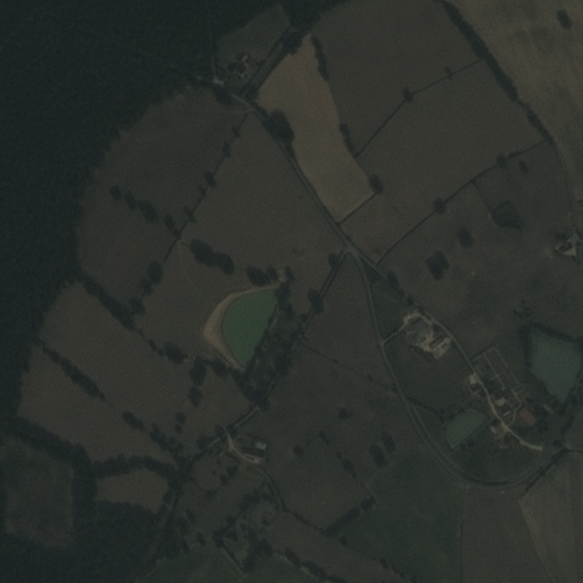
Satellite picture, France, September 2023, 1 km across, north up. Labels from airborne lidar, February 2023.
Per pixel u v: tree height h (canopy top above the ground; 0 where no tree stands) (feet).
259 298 0
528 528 0
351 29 0
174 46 100
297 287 0
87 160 96
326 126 0
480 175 0
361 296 0
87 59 110
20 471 0
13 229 110
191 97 0
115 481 0
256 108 35
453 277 0
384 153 0
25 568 77
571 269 0
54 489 0
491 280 0
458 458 0
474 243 0
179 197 0
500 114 0
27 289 107
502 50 0
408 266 0
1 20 103
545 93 0
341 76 0
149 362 0
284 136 74
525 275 0
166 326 0
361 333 0
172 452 37
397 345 0
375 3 0
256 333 0
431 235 0
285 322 0
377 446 0
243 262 0
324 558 0
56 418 0
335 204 0
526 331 48
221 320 0
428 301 0
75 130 113
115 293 0
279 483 0
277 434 0
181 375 0
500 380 0
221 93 64
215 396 0
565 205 0
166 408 0
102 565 74
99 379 0
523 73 0
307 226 0
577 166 0
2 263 118
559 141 0
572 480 0
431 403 0
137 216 0
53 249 101
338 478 0
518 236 0
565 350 0
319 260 0
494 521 0
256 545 28
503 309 0
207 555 0
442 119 0
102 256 0
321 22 0
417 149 0
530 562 0
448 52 0
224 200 0
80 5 101
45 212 111
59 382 0
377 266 0
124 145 0
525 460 0
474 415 0
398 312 0
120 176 0
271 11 0
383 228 0
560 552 0
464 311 0
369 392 0
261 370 0
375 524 0
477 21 0
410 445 0
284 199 0
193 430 0
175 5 92
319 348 0
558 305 0
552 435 0
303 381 0
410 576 0
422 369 0
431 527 0
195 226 0
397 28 0
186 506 0
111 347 0
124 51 112
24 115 108
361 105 0
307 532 0
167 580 0
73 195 92
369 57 0
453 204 0
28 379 0
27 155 114
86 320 0
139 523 75
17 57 105
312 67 0
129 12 111
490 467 0
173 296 0
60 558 85
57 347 0
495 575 0
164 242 0
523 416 0
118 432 0
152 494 0
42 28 109
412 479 0
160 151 0
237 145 0
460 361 0
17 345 102
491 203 0
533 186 0
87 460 57
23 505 0
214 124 0
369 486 0
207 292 0
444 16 0
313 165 0
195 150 0
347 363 0
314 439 0
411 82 0
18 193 109
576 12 0
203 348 0
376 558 0
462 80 0
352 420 0
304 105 0
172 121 0
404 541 0
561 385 0
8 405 97
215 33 68
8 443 0
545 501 0
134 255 0
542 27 0
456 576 0
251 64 0
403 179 0
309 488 0
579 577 0
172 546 70
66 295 0
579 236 36
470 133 0
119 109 103
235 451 0
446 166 0
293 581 0
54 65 114
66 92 118
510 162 0
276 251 0
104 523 85
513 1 0
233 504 0
